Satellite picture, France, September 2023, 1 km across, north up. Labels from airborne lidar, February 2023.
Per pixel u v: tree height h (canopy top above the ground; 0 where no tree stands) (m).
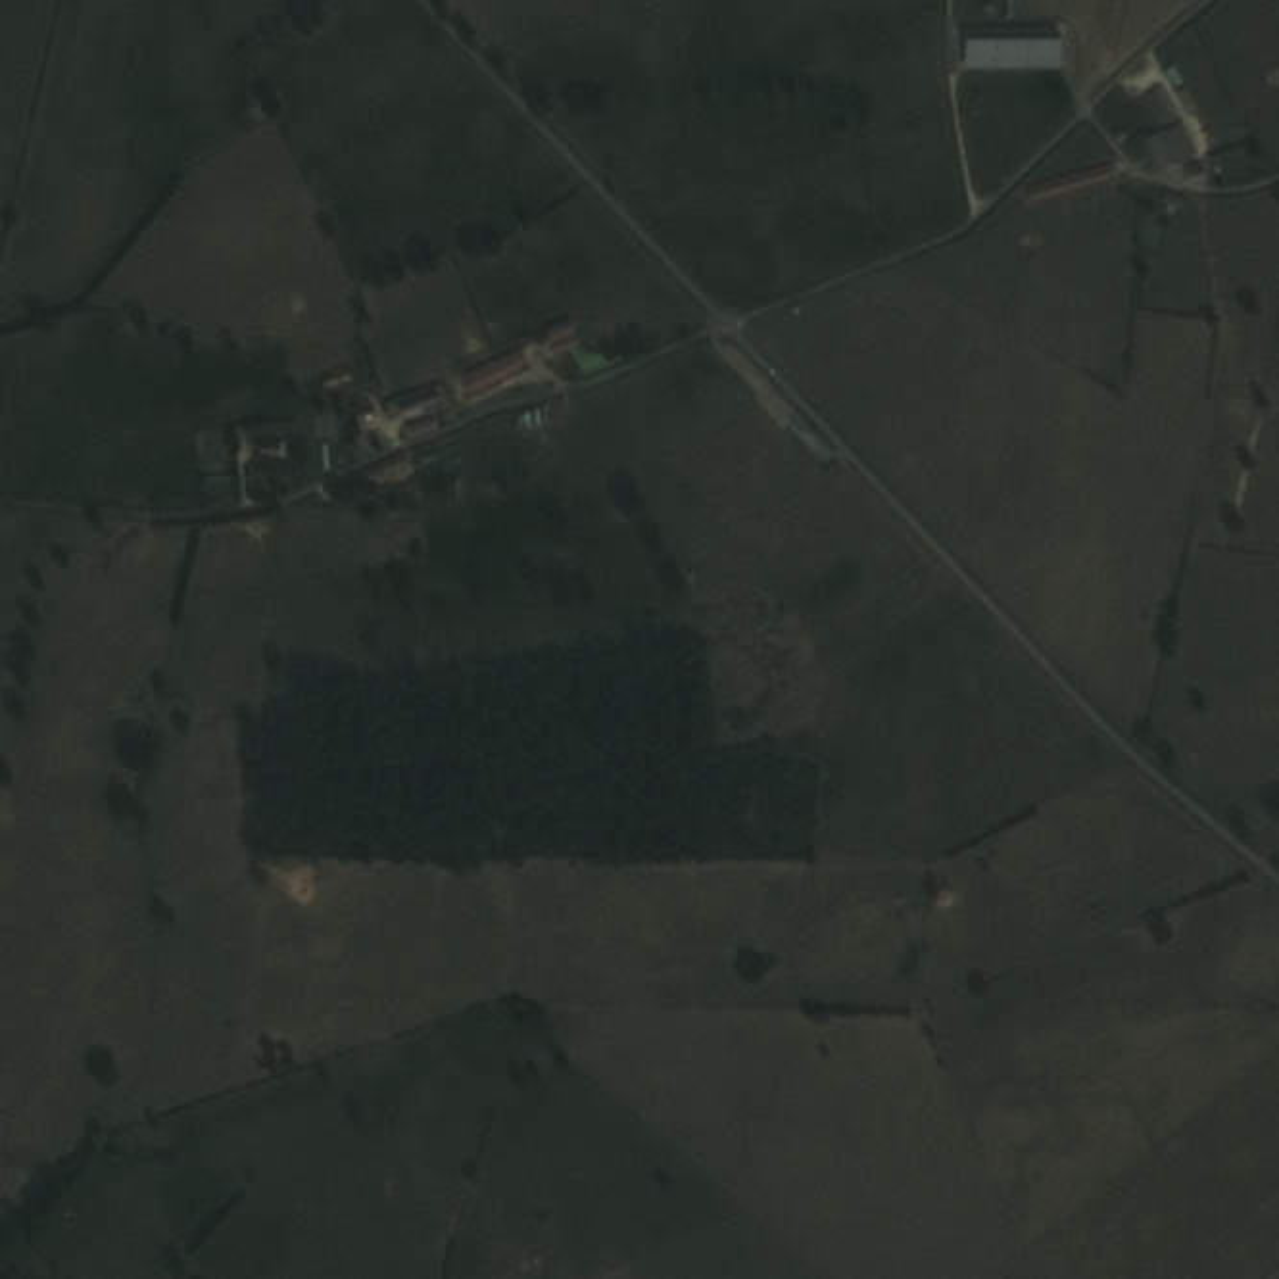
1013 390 0
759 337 0
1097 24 0
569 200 0
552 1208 0
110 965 0
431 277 0
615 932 0
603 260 0
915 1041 0
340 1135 0
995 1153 0
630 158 0
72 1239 0
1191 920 0
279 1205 0
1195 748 0
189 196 0
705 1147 0
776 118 0
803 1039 0
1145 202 8
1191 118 0
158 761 0
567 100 16
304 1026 0
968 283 0
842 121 10
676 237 0
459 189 0
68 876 0
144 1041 0
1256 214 0
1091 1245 0
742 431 0
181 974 0
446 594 0
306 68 0
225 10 0
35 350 0
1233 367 0
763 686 0
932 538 0
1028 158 0
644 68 0
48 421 0
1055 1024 0
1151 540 0
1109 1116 0
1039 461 0
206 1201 0
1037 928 0
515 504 0
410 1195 0
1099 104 0
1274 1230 0
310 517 0
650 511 0
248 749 17
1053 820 0
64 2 0
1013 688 0
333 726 17
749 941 0
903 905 0
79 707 0
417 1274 0
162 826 0
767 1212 0
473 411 0
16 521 0
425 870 0
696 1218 0
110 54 0
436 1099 0
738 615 0
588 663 18
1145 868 0
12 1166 0
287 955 0
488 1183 0
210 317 0
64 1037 0
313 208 0
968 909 0
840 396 0
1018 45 0
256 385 0
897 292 0
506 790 22
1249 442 0
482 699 18
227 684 0
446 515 0
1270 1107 0
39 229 0
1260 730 0
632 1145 0
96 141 0
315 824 18
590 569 0
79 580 0
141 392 0
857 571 0
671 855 12
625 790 13
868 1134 0
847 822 0
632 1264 0
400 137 0
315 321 0
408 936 0
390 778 17
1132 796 0
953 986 0
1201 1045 0
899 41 0
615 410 0
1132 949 0
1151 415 0
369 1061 0
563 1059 15
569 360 0
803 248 0
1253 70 0
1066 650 0
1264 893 0
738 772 7
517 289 0
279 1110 0
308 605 0
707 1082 0
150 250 0
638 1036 0
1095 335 0
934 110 0
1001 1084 0
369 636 21
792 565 0
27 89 0
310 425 0
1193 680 0
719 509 0
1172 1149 0
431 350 0
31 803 0
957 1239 0
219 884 0
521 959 0
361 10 0
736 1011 0
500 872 0
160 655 0
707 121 0
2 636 0
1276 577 0
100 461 0
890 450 0
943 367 0
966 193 0
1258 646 0
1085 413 0
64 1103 0
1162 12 0
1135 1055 0
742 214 0
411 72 0
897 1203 0
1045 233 0
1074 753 0
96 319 0
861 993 0
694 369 0
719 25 0
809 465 0
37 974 0
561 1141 0
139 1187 0
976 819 0
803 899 0
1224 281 0
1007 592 0
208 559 0
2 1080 0
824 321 0
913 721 0
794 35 0
